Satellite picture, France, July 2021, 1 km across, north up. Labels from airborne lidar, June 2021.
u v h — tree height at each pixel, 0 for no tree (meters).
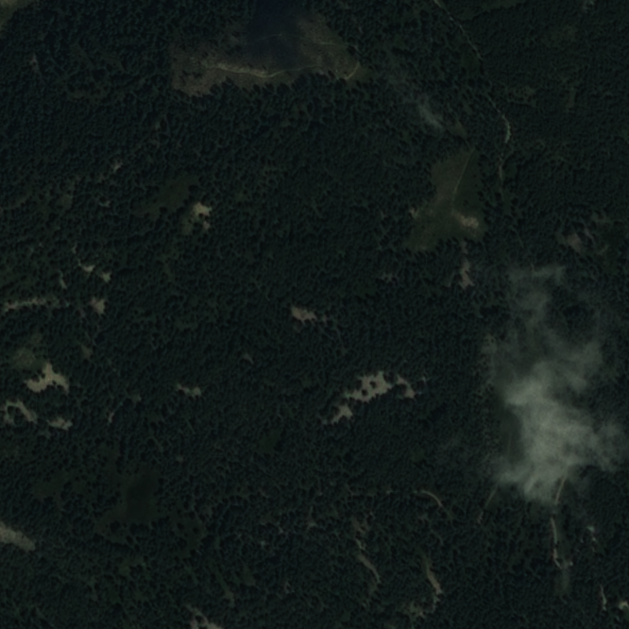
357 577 22
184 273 15
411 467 27
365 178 28
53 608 27
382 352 19
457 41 29
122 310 15
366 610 25
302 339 28
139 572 25
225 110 25
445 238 0
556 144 10
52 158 13
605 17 15
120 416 28
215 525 20
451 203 0
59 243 9
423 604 14
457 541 29
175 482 14
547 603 32
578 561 17
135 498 0
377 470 22
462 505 8
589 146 14
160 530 22
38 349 8
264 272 16
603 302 8
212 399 27
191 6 22
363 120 27
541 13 18
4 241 11
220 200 12
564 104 13
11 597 27
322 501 19
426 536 26
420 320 28
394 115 27
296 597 23
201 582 16
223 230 16
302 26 0
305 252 22
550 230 18
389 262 26
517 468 12
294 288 22
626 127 17
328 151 23
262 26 13
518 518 16
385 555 28
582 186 19
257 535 17
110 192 15
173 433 25
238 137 16
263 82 0
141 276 20
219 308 14
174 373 26
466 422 24
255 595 15
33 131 14
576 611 30
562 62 12
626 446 28
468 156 0
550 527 19
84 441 11
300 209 21
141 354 23
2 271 13
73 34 19
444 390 25
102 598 30
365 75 0
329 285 25
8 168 13
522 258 23
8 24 6
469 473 26
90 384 22
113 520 0
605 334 29
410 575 26
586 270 9
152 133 15
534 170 19
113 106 13
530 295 26
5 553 18
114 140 15
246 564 26
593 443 27
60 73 31
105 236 14
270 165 9
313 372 22
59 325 21
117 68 6
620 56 20
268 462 21
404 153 30
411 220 29
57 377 0
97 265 14
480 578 13
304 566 18
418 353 16
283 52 0
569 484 0
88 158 17
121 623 22
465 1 14
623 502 32
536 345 0
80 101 9
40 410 21
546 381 0
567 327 25
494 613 32
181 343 17
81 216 8
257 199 20
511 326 22
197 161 18
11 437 7
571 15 16
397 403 30
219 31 13
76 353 20
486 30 14
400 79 24
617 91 16
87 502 9
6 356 9
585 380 30
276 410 27
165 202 0
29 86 20
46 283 16
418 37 24
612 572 26
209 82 0
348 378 24
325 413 24
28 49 14
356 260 21
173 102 12
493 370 14
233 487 22
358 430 24
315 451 26
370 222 24
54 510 22
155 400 23
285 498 19
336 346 22
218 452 22
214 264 19
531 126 11
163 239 18
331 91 23
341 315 29
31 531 15
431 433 25
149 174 21
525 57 18
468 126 23
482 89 25
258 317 25
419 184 24
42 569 21
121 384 25
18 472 14
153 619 25
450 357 30
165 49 25
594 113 15
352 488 16
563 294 17
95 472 11
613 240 6
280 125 16
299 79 0
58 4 19
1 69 23
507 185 16
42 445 13
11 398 17
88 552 23
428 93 25
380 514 12
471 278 28
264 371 25
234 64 0
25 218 13
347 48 0
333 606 21
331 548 24
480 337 14
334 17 26
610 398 33
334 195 16
